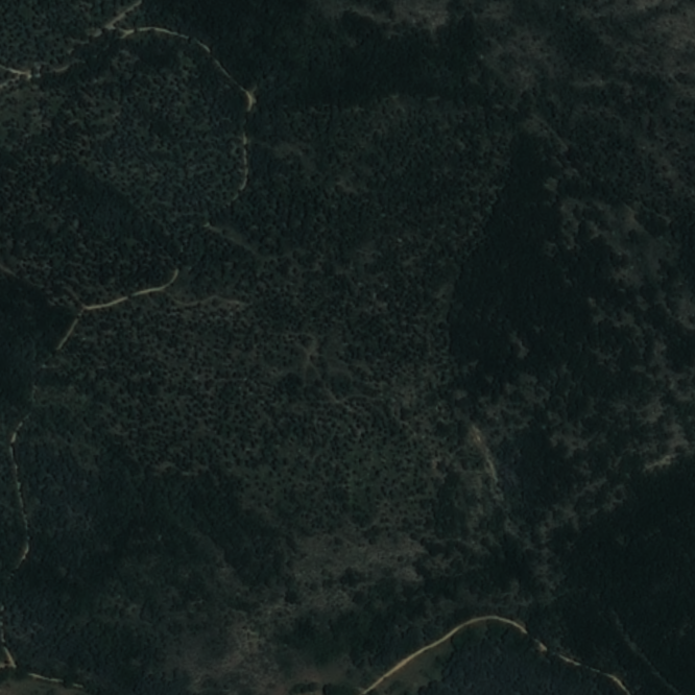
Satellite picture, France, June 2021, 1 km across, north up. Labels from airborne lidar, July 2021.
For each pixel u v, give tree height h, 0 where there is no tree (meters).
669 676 12
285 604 6
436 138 10
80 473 12
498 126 11
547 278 12
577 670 10
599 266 15
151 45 10
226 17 15
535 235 6
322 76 13
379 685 0
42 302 9
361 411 10
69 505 10
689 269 7
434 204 10
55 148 14
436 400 9
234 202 14
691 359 11
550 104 9
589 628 11
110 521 8
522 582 11
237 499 9
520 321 9
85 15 12
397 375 9
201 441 11
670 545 9
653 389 6
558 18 8
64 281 10
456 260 11
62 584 11
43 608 12
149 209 8
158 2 13
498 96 9
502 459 8
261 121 12
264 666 0
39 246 10
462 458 9
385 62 12
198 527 8
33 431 8
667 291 8
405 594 11
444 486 7
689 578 7
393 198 7
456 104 8
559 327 12
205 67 11
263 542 6
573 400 9
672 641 9
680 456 7
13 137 14
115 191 12
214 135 7
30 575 11
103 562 9
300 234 10
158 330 8
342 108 9
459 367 8
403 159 8
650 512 15
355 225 10
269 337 9
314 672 0
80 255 10
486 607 7
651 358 7
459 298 9
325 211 10
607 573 11
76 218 16
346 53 12
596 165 10
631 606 8
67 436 11
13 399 10
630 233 10
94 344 7
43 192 12
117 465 11
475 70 6
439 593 9
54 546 8
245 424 9
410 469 9
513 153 11
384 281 13
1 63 11
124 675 9
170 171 11
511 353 8
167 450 11
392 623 8
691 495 12
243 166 11
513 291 11
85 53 12
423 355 10
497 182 16
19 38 15
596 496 8
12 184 14
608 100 6
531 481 9
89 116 11
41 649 6
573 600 6
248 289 10
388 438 10
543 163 10
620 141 13
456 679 10
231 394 8
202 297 7
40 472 9
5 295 7
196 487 11
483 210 11
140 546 9
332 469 9
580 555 10
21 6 14
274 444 7
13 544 10
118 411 7
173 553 8
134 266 11
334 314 8
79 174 9
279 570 7
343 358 10
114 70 11
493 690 10
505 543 10
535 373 8
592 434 6
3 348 11
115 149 12
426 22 7
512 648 12
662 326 9
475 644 7
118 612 6
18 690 0
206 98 12
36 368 11
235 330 9
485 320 9
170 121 15
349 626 7
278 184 14
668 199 9
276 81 9
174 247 12
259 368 9
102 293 9
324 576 7
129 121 14
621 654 10
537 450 8
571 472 8
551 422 7
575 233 9
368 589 7
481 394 6
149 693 16
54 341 10
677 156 9
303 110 11
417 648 9
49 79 13
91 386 11
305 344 13
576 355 11
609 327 8
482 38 8
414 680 0
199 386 11
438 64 10
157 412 12
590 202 9
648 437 7
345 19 9
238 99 9
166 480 8
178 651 6
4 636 8
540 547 8
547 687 8
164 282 9
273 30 8
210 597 6
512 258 10
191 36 9
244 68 10
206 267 18
